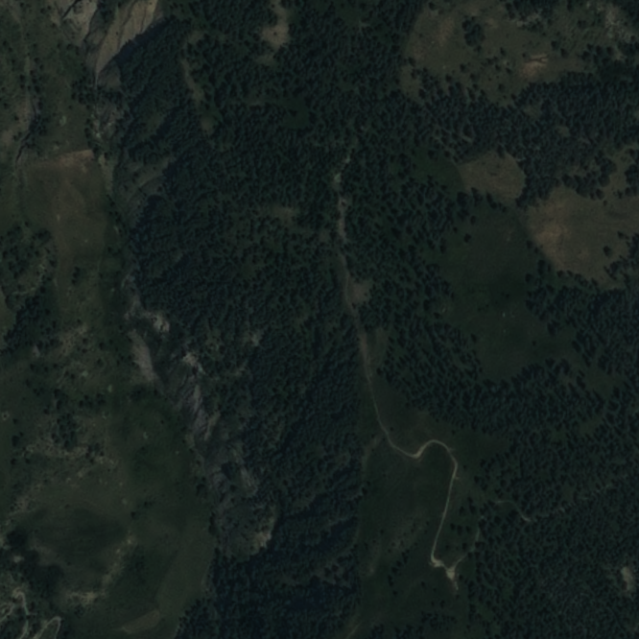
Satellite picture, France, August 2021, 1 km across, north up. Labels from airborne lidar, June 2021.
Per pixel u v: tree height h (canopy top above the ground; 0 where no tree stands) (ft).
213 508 19
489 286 0
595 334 81
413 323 104
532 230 0
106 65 0
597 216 0
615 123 79
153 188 0
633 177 95
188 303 53
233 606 63
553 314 66
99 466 0
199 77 63
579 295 84
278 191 71
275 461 83
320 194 38
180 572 0
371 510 0
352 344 39
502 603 50
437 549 0
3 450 0
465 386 112
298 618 90
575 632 33
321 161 36
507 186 0
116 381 0
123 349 0
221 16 82
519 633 86
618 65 31
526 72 0
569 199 0
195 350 42
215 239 55
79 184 0
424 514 0
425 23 0
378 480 0
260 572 83
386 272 86
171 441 0
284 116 88
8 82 0
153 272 60
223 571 73
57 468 0
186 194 66
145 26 0
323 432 76
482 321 0
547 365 0
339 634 68
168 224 81
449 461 0
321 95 97
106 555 0
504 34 0
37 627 38
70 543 0
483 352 0
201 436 0
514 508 0
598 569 34
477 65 0
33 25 0
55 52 0
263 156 62
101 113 0
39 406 0
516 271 0
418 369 64
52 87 0
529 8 54
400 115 91
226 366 40
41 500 0
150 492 0
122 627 0
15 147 0
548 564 51
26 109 0
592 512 86
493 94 0
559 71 0
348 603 79
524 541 95
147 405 0
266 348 40
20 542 50
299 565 84
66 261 0
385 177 106
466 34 36
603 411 106
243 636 80
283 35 0
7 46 26
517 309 0
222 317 41
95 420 0
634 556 37
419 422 0
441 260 0
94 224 0
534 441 77
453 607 0
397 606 0
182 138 57
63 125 0
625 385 0
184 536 0
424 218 115
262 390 51
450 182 0
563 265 0
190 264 54
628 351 96
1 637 35
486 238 0
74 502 0
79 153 0
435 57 0
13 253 36
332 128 47
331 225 32
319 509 63
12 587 0
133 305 0
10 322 0
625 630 73
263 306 29
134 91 50
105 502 0
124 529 0
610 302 95
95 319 0
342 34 66
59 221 0
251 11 75
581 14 0
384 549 0
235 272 69
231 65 70
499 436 65
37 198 0
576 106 107
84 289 0
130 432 0
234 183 58
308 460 39
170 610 0
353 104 46
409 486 0
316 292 92
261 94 58
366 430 0
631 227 0
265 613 86
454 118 94
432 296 95
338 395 66
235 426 0
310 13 65
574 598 38
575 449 87
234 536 0
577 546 60
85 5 0
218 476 0
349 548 52
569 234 0
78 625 0
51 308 0
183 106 43
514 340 0
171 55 60
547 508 74
